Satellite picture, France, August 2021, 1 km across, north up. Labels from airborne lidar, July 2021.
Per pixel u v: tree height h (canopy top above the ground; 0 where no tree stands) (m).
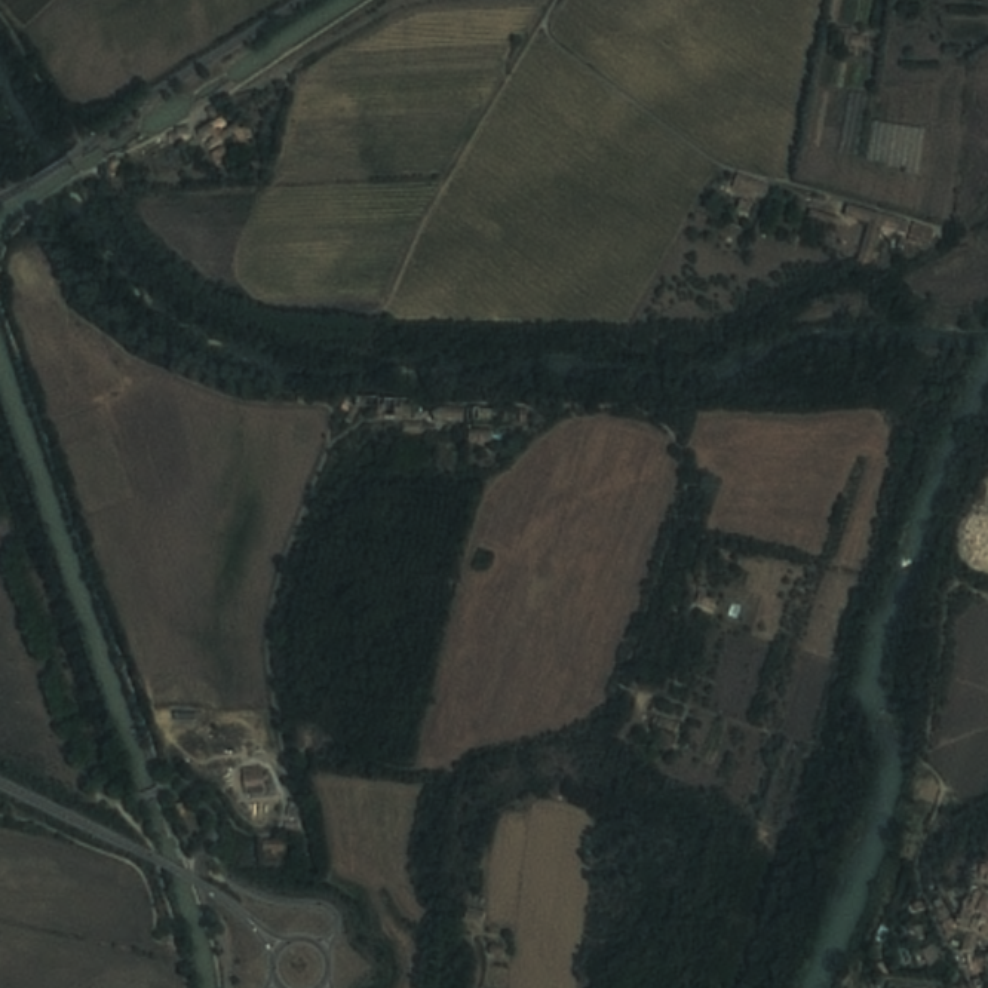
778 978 21
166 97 16
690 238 7
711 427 0
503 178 0
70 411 0
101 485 0
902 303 13
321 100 0
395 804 0
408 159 0
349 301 0
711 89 0
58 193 6
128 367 0
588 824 0
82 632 15
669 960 21
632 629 10
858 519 0
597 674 0
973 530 0
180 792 9
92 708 9
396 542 24
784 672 8
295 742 16
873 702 0
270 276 0
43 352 0
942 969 11
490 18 0
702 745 0
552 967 0
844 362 14
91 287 29
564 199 0
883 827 0
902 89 0
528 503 0
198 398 0
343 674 21
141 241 13
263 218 0
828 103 0
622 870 6
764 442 0
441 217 0
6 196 0
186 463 0
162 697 0
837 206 0
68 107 19
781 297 13
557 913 0
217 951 10
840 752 7
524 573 0
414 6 0
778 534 0
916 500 13
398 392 12
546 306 0
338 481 10
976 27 0
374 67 0
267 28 13
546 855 0
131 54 0
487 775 6
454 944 31
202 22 0
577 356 9
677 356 19
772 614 0
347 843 0
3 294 10
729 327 14
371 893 0
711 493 14
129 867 0
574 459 0
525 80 0
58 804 12
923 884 8
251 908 0
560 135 0
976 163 0
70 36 0
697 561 13
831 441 0
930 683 17
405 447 8
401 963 0
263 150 9
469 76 0
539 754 9
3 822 6
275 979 0
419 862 12
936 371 11
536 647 0
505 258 0
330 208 0
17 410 0
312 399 15
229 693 0
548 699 0
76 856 0
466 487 18
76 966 0
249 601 0
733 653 0
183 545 0
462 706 0
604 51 0
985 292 0
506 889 0
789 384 13
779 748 8
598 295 0
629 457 0
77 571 0
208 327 22
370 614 27
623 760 9
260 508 0
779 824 7
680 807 11
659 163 0
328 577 28
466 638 0
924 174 0
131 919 0
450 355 16
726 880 11
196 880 0
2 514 25
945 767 0
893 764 0
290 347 10
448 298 0
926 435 15
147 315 16
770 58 0
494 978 0
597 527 0
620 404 9
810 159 0
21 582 21
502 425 9
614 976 13
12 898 0
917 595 24
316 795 16
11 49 18
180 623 0
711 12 0
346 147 0
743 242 11
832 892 29
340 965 0
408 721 9
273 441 0
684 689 8
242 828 12
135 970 0
